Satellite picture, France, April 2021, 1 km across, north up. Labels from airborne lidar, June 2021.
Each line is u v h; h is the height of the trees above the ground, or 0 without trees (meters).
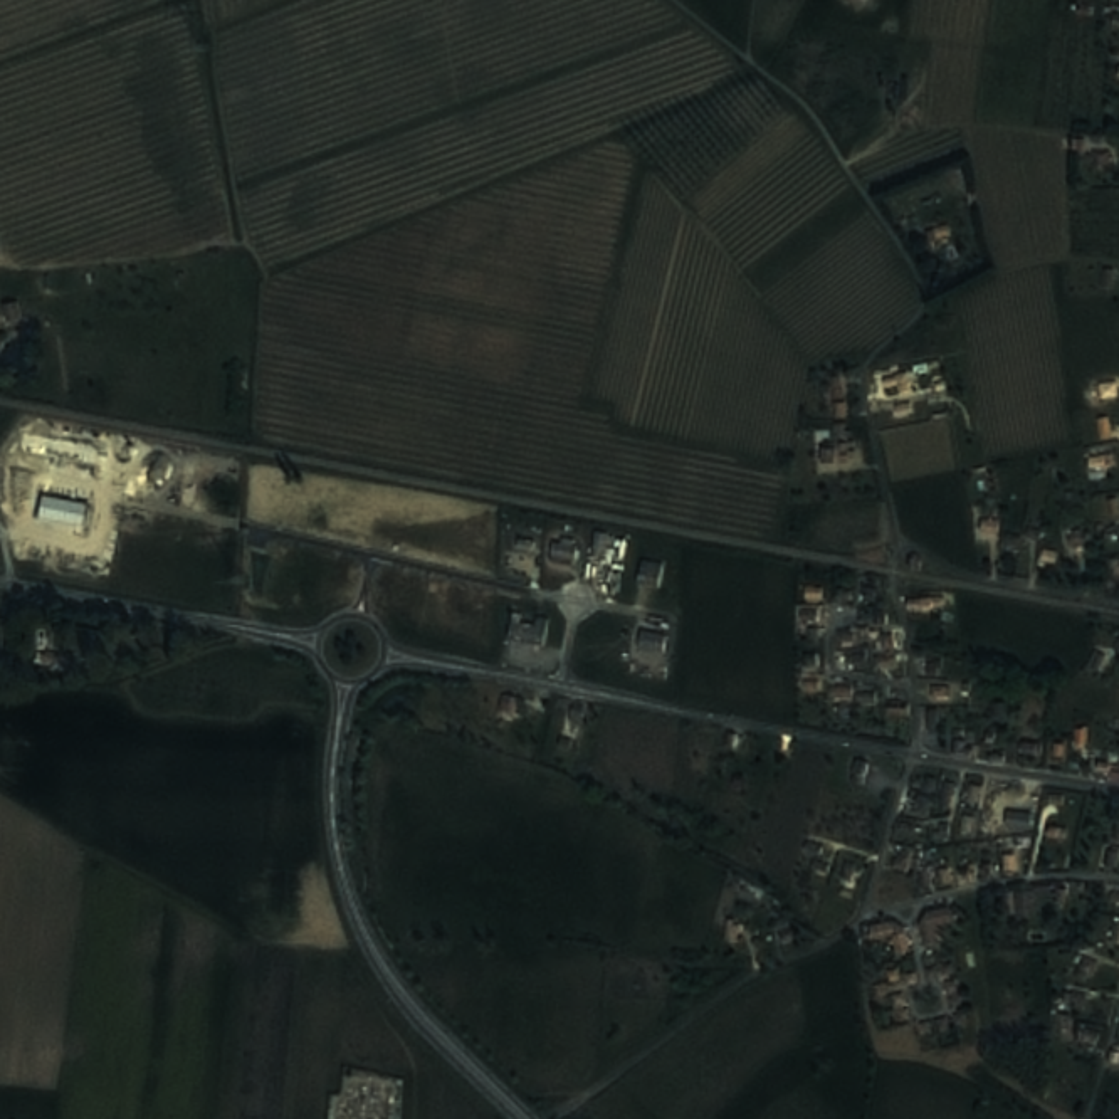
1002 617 0
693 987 12
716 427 0
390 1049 0
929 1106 0
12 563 0
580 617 0
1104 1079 0
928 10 0
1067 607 0
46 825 0
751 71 0
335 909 0
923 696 0
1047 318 0
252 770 0
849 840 8
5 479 0
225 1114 0
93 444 0
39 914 0
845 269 0
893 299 0
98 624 7
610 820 0
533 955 0
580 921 0
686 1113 0
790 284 0
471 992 0
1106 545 8
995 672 21
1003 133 0
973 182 10
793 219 0
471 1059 0
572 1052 0
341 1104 0
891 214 7
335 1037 0
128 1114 0
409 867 0
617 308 0
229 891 0
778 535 0
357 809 7
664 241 0
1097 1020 10
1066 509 10
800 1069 0
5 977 0
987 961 0
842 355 0
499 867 0
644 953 0
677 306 0
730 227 0
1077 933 6
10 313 0
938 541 0
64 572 0
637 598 0
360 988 0
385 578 0
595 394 0
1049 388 0
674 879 0
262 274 0
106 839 0
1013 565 6
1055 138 0
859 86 0
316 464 0
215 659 0
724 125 22
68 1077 0
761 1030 0
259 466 0
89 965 0
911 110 0
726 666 0
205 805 0
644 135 21
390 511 0
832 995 0
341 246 0
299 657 10
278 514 0
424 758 0
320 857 0
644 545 0
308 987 0
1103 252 0
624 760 0
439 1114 0
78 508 0
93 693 0
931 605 0
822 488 7
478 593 0
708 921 0
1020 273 0
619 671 0
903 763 0
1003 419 0
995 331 0
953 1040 7
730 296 0
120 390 0
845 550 0
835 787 0
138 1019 0
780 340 0
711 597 0
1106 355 0
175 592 0
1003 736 12
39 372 10
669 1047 0
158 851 0
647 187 0
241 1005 0
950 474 0
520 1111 0
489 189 0
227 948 0
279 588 0
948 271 10
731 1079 0
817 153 0
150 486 0
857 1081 0
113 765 0
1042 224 0
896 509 0
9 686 38
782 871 0
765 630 0
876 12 0
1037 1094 22
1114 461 8
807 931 9
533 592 0
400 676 11
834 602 5
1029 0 0
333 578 0
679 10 0
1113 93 7
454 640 0
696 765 0
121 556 0
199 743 0
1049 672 14
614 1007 0
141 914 0
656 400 0
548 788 0
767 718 0
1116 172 10
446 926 0
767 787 0
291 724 0
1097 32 6
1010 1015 0
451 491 0
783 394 0
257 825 0
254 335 0
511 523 0
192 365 0
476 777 0
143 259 0
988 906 9
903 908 0
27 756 0
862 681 0
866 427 0
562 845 0
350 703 0
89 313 0
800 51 0
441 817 0
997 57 0
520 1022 0
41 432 0
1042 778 0
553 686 0
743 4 0
